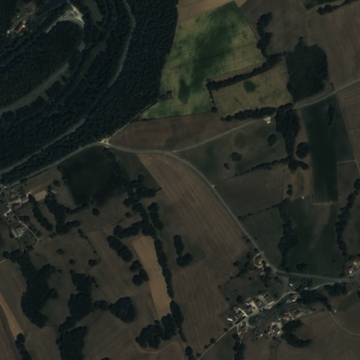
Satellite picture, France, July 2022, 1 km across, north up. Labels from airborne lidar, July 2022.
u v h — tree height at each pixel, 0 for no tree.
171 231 0
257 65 0
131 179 0
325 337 0
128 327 0
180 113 0
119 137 0
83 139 9
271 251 0
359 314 0
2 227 0
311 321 0
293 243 20
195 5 0
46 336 0
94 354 0
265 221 0
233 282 0
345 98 0
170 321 19
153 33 14
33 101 0
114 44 36
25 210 0
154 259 0
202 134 0
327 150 0
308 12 0
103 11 23
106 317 0
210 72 0
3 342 0
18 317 0
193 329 0
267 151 0
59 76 0
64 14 18
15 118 31
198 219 0
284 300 0
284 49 0
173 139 0
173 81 0
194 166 0
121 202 0
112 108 14
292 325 14
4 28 16
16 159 15
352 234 0
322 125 0
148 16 17
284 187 0
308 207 0
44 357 0
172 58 0
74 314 19
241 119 13
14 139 24
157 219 21
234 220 0
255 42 0
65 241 0
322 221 0
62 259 0
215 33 0
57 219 17
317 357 0
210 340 0
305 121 0
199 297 0
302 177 0
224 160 0
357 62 0
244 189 0
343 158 0
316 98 0
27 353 19
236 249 0
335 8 8
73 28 20
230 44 0
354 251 0
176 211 0
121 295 0
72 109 29
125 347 0
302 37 10
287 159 13
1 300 0
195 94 0
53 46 26
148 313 0
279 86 0
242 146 0
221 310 0
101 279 0
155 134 0
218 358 0
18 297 0
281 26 0
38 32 11
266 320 0
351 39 0
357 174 0
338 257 0
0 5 19
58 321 0
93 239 0
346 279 0
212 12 0
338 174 0
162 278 0
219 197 0
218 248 0
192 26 0
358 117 0
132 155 0
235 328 0
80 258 0
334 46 0
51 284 0
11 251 0
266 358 0
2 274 0
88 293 17
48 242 0
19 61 16
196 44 0
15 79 12
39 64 24
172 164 0
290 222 15
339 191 0
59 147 18
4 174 10
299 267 15
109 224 0
